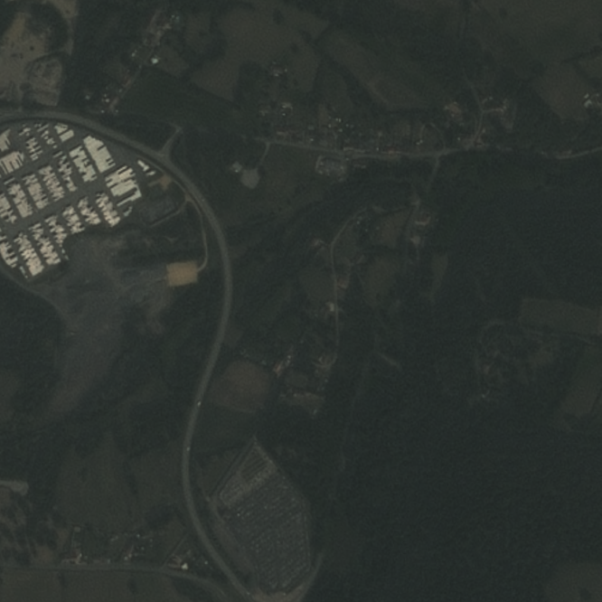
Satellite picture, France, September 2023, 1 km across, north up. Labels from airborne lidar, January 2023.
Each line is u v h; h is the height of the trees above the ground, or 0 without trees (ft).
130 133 76
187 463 0
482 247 25
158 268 0
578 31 0
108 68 0
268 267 0
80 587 0
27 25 0
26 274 0
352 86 63
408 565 64
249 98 0
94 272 0
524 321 0
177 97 0
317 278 0
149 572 0
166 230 0
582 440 67
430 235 38
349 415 63
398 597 67
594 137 48
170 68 0
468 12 31
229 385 0
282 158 0
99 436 67
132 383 62
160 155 0
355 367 64
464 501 78
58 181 0
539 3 0
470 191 55
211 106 0
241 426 0
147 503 0
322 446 47
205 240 0
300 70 0
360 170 20
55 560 0
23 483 0
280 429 49
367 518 29
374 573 29
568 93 0
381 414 30
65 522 33
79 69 36
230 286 0
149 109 0
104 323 0
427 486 62
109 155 0
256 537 0
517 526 88
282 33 0
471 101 58
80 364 0
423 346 76
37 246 0
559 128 51
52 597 0
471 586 85
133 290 0
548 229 78
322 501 48
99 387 68
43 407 0
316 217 38
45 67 0
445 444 82
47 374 37
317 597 63
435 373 83
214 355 0
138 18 22
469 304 29
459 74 21
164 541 0
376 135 0
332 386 46
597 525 94
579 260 66
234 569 21
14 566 0
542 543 84
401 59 0
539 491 96
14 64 0
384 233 0
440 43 48
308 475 44
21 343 59
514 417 65
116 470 0
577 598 0
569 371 55
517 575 26
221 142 57
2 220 0
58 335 32
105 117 28
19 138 0
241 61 0
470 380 47
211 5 31
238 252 0
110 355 0
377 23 41
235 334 0
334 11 34
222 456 38
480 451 88
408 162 42
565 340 45
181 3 22
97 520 0
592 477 109
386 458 47
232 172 0
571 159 0
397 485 48
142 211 0
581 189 0
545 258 36
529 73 0
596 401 19
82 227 0
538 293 51
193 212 37
